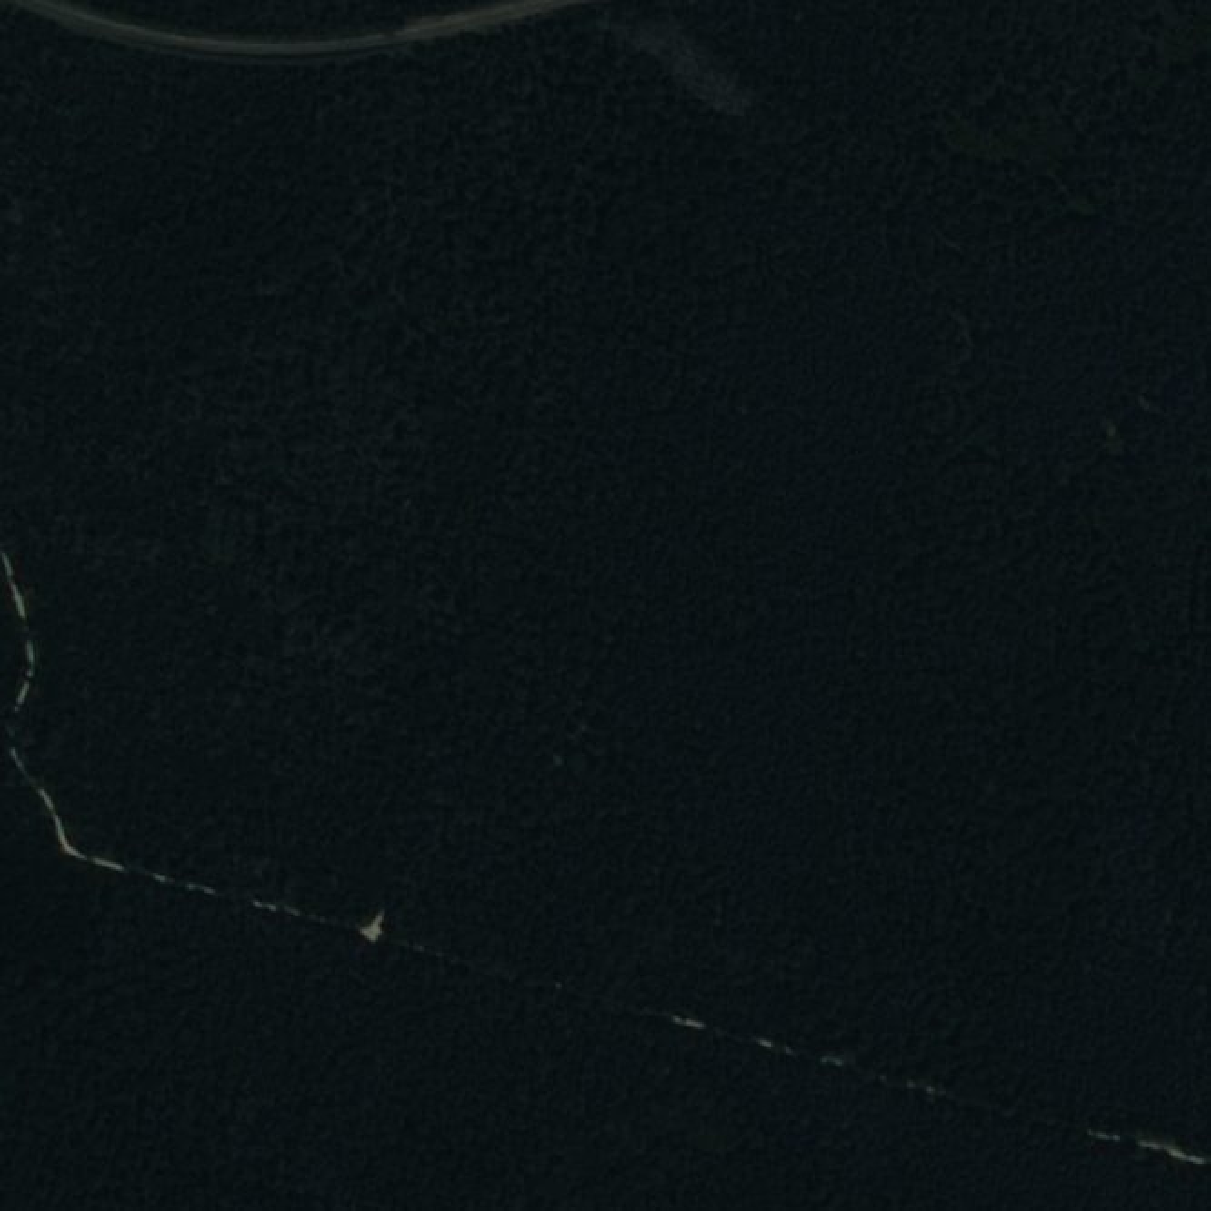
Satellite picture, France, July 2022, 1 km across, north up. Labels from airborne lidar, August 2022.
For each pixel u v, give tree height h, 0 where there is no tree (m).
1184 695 28
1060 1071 24
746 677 24
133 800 12
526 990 19
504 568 16
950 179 12
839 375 26
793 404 22
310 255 15
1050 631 23
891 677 26
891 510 20
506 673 18
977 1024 21
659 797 22
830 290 22
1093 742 20
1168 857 22
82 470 10
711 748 22
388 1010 24
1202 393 32
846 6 19
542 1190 17
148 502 13
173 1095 24
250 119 10
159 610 10
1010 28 15
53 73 10
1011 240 16
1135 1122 24
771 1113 19
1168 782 24
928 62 19
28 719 9
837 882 23
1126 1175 25
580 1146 18
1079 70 16
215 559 9
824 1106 23
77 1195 20
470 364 17
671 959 20
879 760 24
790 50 18
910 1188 25
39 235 8
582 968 20
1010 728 14
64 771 9
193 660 8
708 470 23
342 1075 24
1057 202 15
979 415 26
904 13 18
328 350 17
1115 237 25
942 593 18
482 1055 19
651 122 19
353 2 15
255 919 16
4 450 13
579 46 10
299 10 15
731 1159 23
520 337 18
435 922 22
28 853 7
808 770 25
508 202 12
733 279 24
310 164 17
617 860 19
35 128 6
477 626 21
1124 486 25
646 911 17
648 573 22
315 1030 24
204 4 11
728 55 25
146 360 9
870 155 14
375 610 14
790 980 25
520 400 12
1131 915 24
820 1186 23
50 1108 20
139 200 16
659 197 21
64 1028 24
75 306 11
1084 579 23
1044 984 20
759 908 22
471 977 20
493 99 19
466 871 17
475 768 24
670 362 26
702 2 22
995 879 21
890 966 18
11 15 7
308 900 9
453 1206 20
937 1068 15
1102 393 24
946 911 16
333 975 18
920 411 23
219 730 16
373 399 18
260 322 9
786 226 22
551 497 20
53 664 6
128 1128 23
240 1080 21
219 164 13
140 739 9
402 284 18
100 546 16
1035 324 28
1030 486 23
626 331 28
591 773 22
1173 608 7
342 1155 27
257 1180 19
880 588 19
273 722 6
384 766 14
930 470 20
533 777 21
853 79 19
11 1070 26
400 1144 23
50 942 8
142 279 12
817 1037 20
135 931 19
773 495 15
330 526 9
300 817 8
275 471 6
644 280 24
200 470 11
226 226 11
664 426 23
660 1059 21
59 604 10
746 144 19
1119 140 24
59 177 5
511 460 19
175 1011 24
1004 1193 22
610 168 23
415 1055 22
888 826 24
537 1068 15
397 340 22
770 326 20
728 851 23
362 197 20
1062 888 20
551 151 12
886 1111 23
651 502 23
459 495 13
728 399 20
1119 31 21
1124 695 23
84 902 7
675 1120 16
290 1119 20
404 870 24
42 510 16
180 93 8
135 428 20
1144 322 23
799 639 21
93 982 20
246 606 14
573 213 13
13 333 9
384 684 13
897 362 23
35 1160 22
